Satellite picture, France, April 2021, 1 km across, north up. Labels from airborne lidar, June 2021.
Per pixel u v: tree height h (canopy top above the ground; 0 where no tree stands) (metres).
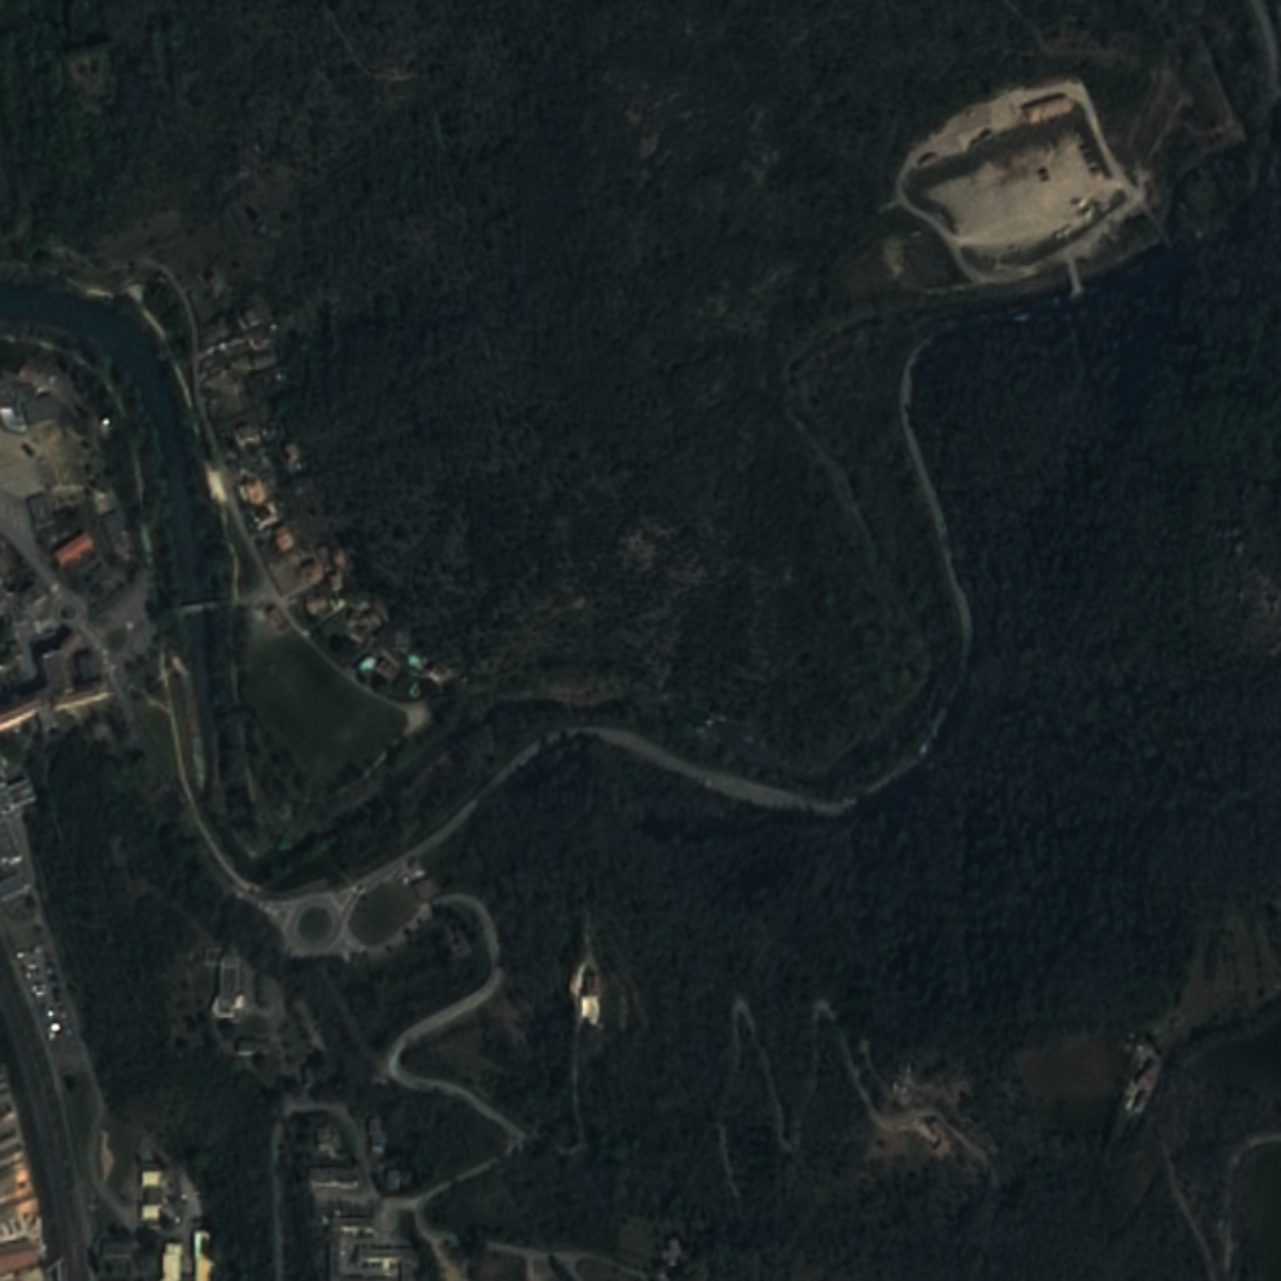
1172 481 13
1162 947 9
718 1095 11
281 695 0
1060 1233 10
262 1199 9
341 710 0
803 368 11
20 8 13
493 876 11
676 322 6
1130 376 10
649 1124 12
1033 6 13
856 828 12
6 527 0
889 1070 9
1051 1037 10
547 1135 13
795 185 15
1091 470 11
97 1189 0
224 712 13
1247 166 25
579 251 10
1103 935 11
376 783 12
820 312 20
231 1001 0
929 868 13
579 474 6
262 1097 6
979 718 15
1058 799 10
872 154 17
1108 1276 10
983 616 8
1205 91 13
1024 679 18
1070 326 10
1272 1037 0
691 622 9
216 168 10
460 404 10
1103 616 6
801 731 23
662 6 8
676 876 6
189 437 16
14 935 0
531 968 13
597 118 7
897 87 15
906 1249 9
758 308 7
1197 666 10
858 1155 8
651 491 6
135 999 8
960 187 0
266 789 11
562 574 6
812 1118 11
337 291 10
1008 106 0
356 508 8
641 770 8
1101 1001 11
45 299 0
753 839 19
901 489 10
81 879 8
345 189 8
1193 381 13
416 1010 6
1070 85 0
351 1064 14
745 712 11
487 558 8
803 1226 17
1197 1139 10
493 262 6
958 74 11
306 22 6
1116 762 14
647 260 8
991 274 0
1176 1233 11
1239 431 15
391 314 11
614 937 12
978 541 8
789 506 8
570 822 12
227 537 16
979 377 11
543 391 6
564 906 7
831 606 10
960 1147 8
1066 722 24
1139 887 13
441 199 7
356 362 12
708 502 10
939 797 10
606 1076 15
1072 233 10
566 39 7
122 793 12
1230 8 14
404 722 0
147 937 9
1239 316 20
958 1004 11
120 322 0
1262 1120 12
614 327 7
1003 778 10
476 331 8
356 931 0
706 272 6
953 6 14
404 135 8
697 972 11
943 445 13
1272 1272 0
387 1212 0
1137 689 20
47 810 12
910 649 16
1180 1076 14
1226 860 13
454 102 6
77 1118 0
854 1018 10
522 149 7
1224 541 6
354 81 9
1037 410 11
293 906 0
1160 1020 14
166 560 13
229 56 9
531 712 17
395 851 6
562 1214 11
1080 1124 0
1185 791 15
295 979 9
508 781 6
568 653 6
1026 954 7
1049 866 10
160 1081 11
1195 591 10
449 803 11
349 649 12
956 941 9
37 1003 0
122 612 0
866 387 12
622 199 8
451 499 8
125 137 11
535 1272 0
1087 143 6
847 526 9
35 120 9
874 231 16
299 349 12
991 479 12
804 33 16
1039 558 11
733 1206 10
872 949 21
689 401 7
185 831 23
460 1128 11
